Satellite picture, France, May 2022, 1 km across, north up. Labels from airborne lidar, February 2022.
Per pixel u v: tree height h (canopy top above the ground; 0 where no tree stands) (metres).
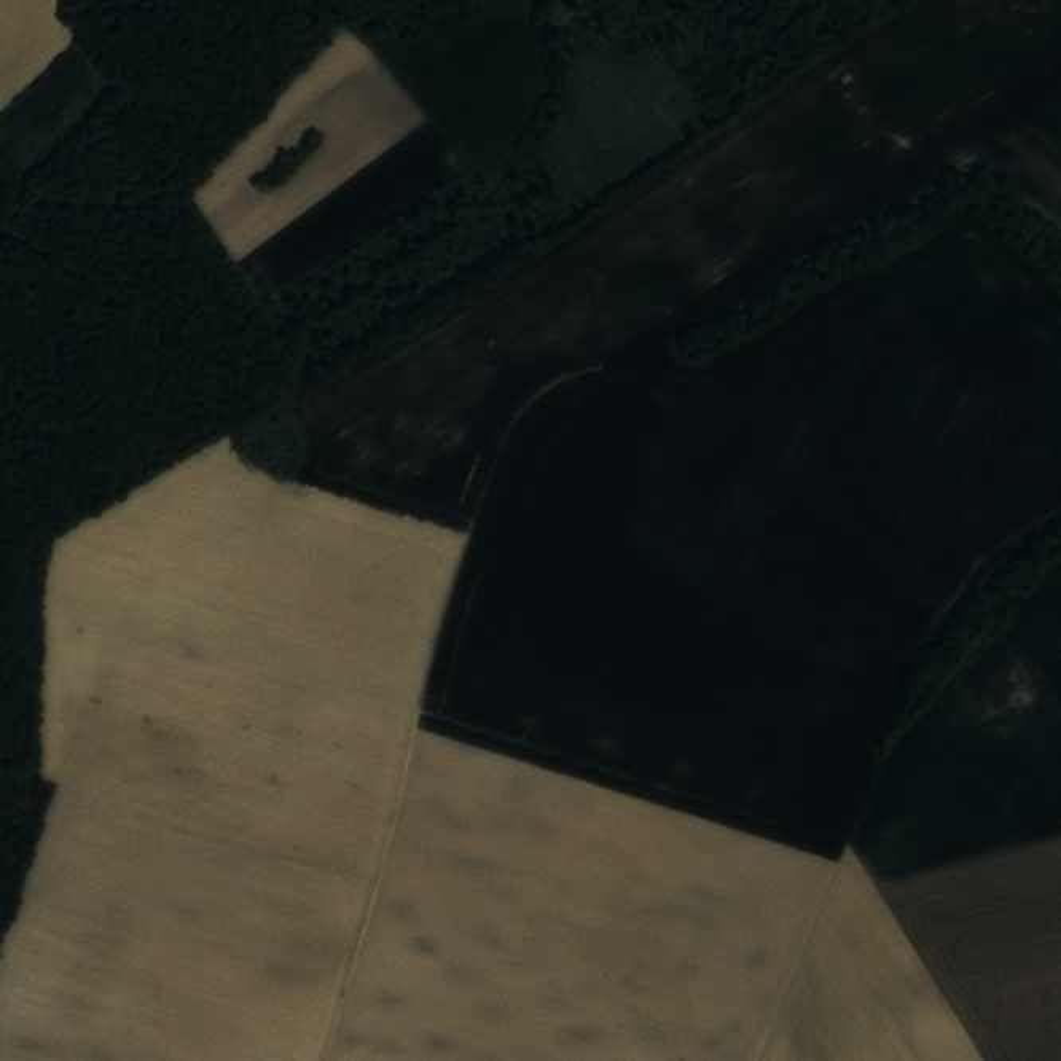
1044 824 0
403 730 0
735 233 0
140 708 0
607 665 0
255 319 23
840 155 0
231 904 0
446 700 0
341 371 16
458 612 0
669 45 34
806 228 0
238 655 0
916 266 0
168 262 26
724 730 0
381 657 0
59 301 23
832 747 0
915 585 0
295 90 0
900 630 0
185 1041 0
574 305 0
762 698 0
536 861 0
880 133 0
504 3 8
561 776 0
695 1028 0
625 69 0
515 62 0
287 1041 0
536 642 0
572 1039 0
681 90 0
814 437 0
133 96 20
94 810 0
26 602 21
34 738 15
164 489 0
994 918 0
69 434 22
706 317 0
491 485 0
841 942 0
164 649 0
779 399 0
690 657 0
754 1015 0
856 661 0
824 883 0
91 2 19
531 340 0
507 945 0
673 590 0
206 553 0
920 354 0
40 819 13
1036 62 0
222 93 24
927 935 0
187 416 19
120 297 20
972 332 0
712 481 0
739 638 0
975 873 0
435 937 0
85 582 0
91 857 0
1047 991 0
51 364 22
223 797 0
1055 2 0
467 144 0
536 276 0
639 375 0
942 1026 0
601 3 7
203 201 0
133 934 0
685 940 0
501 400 0
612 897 0
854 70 0
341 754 0
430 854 0
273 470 17
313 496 0
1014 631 0
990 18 0
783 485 0
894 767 0
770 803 0
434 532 0
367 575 0
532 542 0
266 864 0
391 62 0
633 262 0
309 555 0
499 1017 0
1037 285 0
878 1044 0
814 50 26
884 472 0
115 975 0
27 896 0
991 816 0
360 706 0
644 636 0
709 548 0
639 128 0
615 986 0
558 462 0
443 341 0
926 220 21
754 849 0
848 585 0
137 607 0
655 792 0
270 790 0
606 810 0
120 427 21
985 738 0
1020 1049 0
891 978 0
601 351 0
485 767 0
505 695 0
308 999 0
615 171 0
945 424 0
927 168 0
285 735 0
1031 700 0
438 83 0
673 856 0
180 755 0
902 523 0
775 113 0
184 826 0
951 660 17
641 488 0
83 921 0
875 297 0
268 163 0
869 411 0
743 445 0
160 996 0
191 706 0
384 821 0
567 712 0
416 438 0
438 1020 0
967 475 0
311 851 0
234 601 0
